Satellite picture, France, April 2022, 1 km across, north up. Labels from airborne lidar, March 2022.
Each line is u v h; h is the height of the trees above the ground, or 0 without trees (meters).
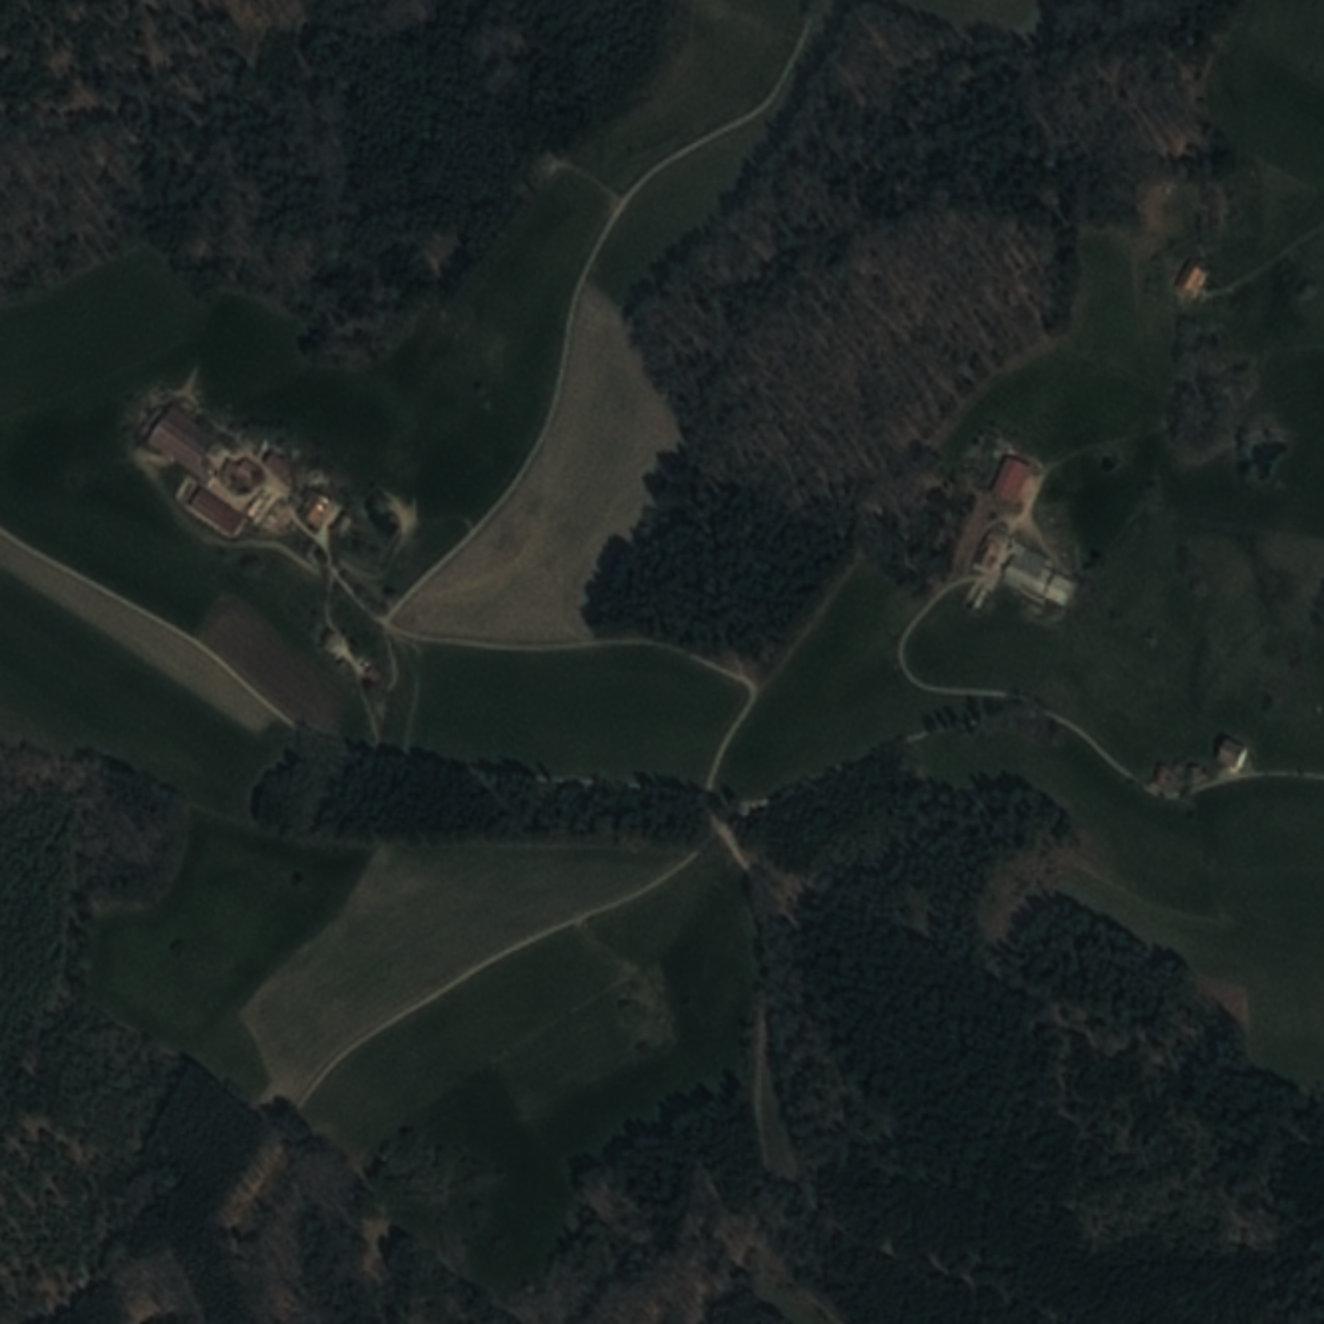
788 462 25
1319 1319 20
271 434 8
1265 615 0
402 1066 0
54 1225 12
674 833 19
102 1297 21
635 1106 0
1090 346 0
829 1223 13
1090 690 0
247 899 0
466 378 0
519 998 0
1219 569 0
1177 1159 7
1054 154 24
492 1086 0
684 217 0
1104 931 28
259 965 0
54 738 0
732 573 24
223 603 0
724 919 0
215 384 0
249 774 0
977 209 24
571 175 0
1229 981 0
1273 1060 0
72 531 0
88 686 0
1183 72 23
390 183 19
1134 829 0
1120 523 0
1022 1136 11
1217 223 14
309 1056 0
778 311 23
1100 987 22
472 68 22
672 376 18
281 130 26
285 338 0
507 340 0
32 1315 20
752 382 27
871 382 24
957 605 0
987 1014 24
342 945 0
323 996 0
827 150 25
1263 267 0
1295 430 0
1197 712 0
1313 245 0
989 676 0
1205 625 0
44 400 0
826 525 28
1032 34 0
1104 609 0
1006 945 0
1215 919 0
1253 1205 11
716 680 0
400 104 27
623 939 0
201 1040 0
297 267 24
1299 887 0
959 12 0
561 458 0
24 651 0
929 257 26
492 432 0
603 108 25
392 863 0
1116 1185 13
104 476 0
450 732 0
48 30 14
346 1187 33
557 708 0
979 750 0
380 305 32
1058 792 0
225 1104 25
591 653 0
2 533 0
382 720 0
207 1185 22
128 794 26
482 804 25
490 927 0
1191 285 0
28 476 0
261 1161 27
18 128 16
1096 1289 13
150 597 0
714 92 0
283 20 27
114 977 0
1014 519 0
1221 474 0
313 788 15
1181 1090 9
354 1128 0
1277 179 0
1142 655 0
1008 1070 30
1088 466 0
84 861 11
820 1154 21
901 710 0
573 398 0
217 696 0
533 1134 0
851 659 0
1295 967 0
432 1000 0
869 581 0
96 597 0
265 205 25
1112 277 0
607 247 0
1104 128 26
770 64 0
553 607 0
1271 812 0
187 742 0
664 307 25
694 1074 0
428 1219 0
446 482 0
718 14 0
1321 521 0
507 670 0
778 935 23
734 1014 0
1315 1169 12
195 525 0
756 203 22
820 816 13
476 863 0
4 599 0
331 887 0
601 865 0
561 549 0
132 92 16
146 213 23
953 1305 16
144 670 0
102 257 17
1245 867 0
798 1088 10
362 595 10
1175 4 29
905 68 21
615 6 25
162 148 25
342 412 0
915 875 24
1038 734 17
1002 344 25
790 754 0
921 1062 28
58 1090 12
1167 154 33
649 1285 30
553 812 12
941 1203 15
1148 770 0
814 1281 21
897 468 28
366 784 24
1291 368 0
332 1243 34
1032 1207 9
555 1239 0
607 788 9
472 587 0
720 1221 22
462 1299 21
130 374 0
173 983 0
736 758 0
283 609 0
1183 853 0
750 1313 28
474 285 30
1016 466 0
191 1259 26
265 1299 23
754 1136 21
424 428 0
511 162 28
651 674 0
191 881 0
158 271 0
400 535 0
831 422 25
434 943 0
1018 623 0
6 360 0
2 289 22
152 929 0
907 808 23
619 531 0
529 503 0
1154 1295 17
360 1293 32
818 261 23
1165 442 0
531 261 0
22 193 25
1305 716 0
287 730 0
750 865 0
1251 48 0
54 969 15
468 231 30
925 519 26
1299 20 0
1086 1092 10
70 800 11
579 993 0
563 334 0
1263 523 0
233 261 22
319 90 7
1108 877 0
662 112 0
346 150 25
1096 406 0
